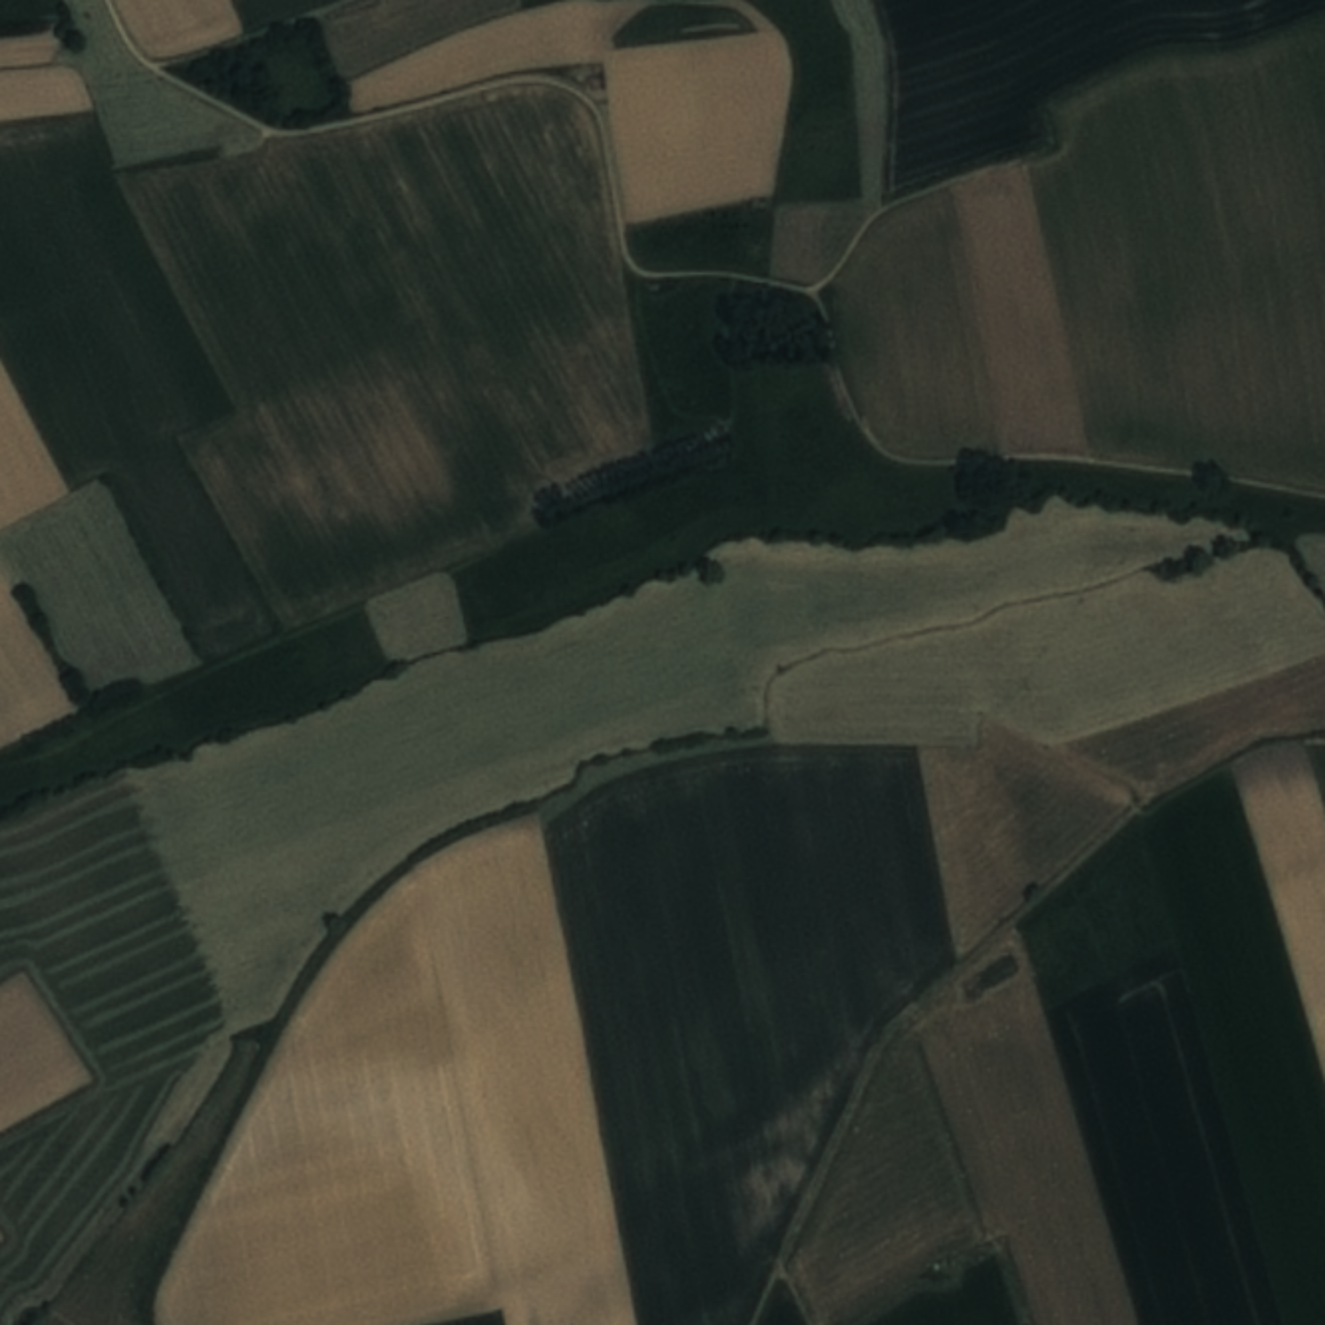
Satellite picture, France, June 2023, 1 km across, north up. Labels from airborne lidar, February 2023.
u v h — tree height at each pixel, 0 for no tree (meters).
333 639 0
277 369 0
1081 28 0
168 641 0
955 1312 0
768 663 0
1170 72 0
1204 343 0
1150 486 0
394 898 0
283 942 0
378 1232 0
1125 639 0
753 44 0
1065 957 0
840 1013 0
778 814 0
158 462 0
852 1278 0
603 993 0
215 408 0
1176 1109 0
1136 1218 0
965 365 0
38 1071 0
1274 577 0
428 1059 0
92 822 0
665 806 0
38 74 0
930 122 0
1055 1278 0
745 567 0
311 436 0
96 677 0
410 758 0
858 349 0
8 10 0
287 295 0
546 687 0
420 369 0
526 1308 0
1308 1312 0
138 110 0
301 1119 0
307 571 0
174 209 0
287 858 0
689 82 0
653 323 0
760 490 0
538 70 0
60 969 0
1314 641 0
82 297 0
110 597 0
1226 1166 0
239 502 0
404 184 0
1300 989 0
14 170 0
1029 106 0
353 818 0
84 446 0
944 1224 0
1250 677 0
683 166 0
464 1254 0
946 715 0
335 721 0
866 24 0
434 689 0
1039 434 0
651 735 0
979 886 0
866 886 0
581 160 0
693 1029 0
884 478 0
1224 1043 0
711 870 0
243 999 0
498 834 0
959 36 0
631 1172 0
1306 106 0
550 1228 0
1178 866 0
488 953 0
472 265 0
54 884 0
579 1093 0
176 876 0
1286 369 0
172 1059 0
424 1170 0
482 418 0
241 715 0
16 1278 0
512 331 0
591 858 0
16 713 0
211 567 0
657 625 0
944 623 0
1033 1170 0
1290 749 0
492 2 0
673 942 0
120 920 0
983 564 0
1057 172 0
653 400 0
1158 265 0
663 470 26
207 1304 0
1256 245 0
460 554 0
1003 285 0
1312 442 0
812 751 0
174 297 0
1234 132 0
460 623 0
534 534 0
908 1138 0
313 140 0
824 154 0
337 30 0
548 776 0
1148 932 0
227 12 0
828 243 0
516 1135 0
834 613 0
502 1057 0
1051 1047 0
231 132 0
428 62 0
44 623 10
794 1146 0
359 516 0
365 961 0
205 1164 0
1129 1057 0
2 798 0
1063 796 0
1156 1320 0
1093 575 0
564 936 0
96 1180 0
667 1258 0
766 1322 0
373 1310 0
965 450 0
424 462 0
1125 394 0
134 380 0
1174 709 0
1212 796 0
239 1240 0
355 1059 0
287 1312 0
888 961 0
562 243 0
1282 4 0
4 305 0
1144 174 0
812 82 0
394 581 0
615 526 0
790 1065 0
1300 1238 0
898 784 0
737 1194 0
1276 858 0
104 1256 0
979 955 0
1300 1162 0
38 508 0
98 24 0
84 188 0
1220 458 0
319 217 0
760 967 0
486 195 0
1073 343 0
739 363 32
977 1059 0
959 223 0
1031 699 0
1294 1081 0
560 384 0
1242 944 0
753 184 0
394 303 0
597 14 0
